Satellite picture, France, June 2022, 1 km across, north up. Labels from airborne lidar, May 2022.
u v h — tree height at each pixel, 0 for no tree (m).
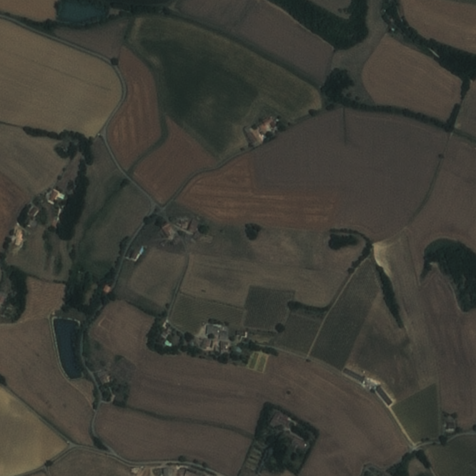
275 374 0
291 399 0
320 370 0
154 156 0
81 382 0
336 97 14
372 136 0
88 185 15
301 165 0
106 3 7
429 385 0
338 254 0
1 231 0
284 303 0
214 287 0
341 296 0
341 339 0
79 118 0
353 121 0
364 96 0
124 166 0
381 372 0
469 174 0
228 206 0
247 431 0
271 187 0
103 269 0
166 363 0
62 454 0
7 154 0
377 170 0
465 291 10
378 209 0
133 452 0
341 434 0
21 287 17
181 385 0
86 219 0
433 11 0
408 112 16
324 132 0
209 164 0
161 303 0
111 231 0
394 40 0
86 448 0
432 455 0
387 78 0
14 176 0
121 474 0
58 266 8
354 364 0
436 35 0
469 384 0
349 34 7
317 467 0
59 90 0
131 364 0
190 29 0
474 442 0
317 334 0
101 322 0
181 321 0
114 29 0
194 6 0
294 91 0
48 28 8
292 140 0
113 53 0
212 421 0
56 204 9
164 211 0
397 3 7
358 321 0
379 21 0
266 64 0
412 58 0
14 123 0
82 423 0
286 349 0
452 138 0
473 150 0
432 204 0
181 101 0
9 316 9
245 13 0
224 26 0
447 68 15
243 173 0
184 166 0
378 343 0
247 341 9
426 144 0
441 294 0
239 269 0
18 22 0
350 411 0
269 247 0
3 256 16
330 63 0
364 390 0
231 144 0
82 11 0
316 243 0
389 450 0
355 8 9
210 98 0
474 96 0
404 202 0
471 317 0
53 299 0
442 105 0
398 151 0
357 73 0
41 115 0
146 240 0
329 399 0
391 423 0
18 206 0
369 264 0
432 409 0
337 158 0
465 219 0
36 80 0
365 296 0
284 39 0
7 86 0
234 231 0
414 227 0
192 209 0
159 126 0
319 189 0
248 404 0
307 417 0
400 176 0
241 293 0
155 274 0
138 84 0
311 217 0
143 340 0
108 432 0
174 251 0
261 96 0
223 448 0
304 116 0
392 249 0
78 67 0
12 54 0
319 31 8
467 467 0
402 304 0
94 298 9
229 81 0
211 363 0
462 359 0
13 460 0
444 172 0
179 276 0
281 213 0
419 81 0
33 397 0
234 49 0
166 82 0
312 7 12
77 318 0
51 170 0
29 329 0
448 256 14
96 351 0
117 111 0
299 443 0
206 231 19
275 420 0
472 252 9
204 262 0
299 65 0
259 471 7
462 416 0
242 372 0
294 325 0
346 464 0
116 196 0
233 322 0
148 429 0
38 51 0
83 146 10
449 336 0
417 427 0
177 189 0
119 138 0
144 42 0
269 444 12
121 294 0
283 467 6
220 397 0
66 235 22
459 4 0
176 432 0
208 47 0
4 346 0
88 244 0
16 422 0
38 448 0
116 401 9
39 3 0
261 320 0
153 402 0
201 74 0
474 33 0
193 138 0
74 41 0
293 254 0
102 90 0
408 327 0
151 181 0
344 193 0
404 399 0
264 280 0
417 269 0
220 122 0
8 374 0
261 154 0
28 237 0
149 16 0
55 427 0
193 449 0
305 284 0
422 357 0
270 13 0
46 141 0
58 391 0
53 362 0
